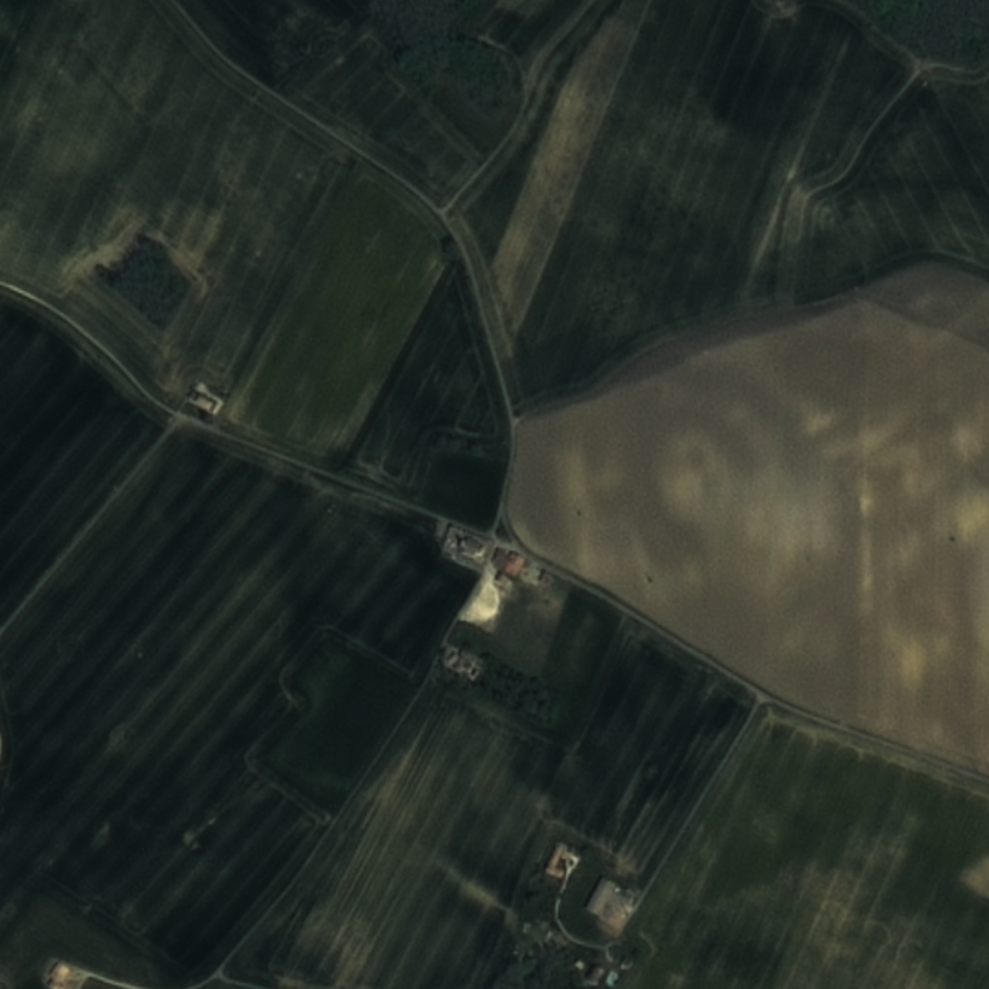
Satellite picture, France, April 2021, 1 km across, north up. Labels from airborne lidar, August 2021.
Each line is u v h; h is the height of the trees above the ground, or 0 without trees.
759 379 0
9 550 0
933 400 0
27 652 0
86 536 0
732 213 0
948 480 0
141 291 20
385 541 0
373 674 0
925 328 0
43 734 0
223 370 0
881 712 0
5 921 0
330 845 0
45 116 0
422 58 19
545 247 0
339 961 0
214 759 0
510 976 18
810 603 0
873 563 0
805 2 0
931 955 0
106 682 0
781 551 0
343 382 0
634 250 0
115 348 0
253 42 0
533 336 0
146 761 0
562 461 0
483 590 0
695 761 0
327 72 0
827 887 0
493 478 0
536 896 8
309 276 0
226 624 0
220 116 0
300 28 0
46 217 0
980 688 0
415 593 0
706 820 0
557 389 0
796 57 0
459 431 0
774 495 0
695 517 0
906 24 19
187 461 0
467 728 0
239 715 0
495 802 0
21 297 0
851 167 0
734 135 0
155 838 0
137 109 0
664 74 0
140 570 0
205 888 0
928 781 0
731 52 0
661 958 0
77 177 0
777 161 0
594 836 0
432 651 0
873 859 0
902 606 0
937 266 0
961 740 0
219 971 0
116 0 0
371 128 0
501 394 0
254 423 0
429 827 0
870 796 0
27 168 0
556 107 0
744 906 0
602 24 0
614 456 0
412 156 0
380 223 0
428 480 0
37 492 0
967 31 20
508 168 0
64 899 0
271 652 0
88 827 0
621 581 0
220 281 0
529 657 0
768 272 0
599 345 0
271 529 0
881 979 0
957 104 0
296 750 0
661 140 0
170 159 0
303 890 0
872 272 0
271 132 0
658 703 0
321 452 0
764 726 0
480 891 0
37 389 0
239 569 0
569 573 0
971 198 0
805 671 0
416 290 0
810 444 0
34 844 0
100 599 0
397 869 0
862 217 0
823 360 0
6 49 0
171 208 0
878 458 0
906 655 0
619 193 0
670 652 0
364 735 0
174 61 0
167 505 0
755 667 0
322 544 0
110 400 0
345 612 0
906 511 0
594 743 0
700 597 0
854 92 0
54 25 0
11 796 0
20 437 0
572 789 0
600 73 0
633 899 0
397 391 0
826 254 0
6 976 0
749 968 0
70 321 0
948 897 0
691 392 0
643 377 0
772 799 0
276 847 0
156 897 0
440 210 0
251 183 0
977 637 0
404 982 0
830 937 0
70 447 0
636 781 0
